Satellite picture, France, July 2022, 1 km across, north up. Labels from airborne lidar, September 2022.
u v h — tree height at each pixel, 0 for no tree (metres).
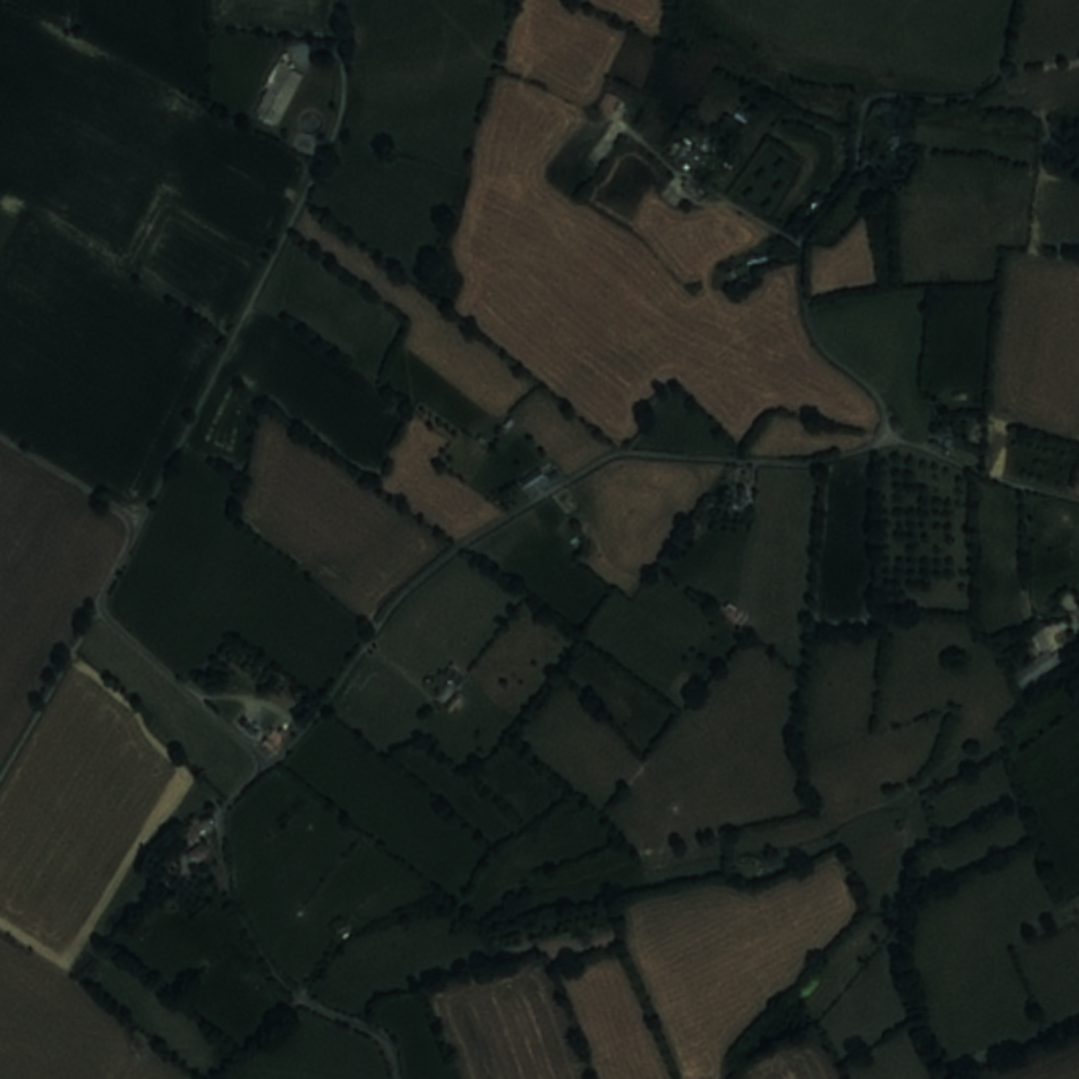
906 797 0
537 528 0
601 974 0
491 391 0
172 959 0
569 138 0
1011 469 0
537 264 0
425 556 0
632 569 0
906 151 9
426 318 0
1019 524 7
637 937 0
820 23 0
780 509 0
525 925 9
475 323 14
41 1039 0
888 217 6
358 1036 6
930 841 7
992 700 0
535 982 0
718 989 0
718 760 0
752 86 6
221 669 8
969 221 0
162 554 0
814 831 0
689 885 9
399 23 0
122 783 0
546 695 8
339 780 0
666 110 0
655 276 0
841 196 10
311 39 16
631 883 0
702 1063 0
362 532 0
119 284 0
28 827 0
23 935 0
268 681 7
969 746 10
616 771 0
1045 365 0
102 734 0
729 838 16
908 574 8
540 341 0
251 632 0
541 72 0
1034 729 0
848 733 0
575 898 0
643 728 0
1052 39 0
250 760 0
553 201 0
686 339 0
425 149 0
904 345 0
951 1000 0
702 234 0
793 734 18
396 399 8
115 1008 15
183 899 6
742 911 0
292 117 0
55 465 0
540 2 0
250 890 0
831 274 0
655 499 0
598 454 0
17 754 0
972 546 12
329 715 18
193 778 12
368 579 0
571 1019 7
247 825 0
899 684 0
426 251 10
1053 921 13
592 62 0
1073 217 0
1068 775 0
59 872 0
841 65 0
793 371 0
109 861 0
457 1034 0
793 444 0
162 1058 12
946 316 0
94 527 0
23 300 0
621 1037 0
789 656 0
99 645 0
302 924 0
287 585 0
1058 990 0
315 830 0
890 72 0
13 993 0
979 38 0
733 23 0
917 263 0
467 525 0
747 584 0
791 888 0
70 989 0
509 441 0
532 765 7
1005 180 0
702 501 7
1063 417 0
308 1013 8
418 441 0
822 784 0
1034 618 7
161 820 0
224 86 0
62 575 0
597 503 0
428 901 6
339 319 0
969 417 8
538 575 0
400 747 9
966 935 0
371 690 0
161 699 0
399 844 0
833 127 9
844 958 0
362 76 0
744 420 0
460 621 0
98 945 20
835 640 10
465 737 0
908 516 9
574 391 0
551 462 0
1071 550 0
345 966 0
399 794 0
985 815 12
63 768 0
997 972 0
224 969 0
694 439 0
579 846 0
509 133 0
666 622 0
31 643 0
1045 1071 0
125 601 0
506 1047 0
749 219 0
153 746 0
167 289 0
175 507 0
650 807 0
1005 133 0
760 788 0
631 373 0
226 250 0
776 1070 0
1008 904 0
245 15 0
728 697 0
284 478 0
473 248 0
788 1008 7
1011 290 0
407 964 0
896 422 0
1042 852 9
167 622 0
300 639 0
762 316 0
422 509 0
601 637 0
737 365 0
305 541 0
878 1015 0
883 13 0
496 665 0
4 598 0
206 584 0
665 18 6
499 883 0
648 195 0
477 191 0
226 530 0
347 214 0
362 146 0
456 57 0
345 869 0
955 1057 0
